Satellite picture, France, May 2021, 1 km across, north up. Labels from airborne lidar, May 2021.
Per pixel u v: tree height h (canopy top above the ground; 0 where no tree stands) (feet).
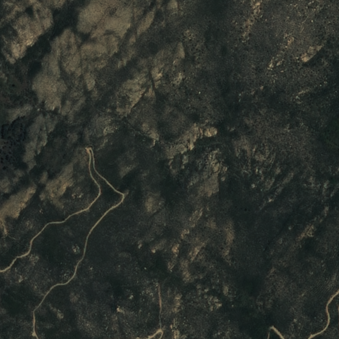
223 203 0
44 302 0
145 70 0
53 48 0
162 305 0
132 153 0
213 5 0
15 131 81
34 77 0
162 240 0
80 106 0
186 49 0
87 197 0
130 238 0
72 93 0
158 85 0
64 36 0
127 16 0
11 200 0
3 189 0
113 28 0
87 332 0
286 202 0
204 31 0
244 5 0
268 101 0
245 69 0
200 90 0
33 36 0
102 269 0
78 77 0
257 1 0
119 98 0
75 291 0
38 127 0
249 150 0
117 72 0
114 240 0
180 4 0
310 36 0
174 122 0
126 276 0
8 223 0
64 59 0
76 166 0
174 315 0
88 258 0
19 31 0
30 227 0
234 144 0
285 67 0
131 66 0
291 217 56
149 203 0
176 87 0
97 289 0
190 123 0
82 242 0
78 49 0
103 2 0
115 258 0
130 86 0
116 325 0
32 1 0
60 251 42
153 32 0
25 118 78
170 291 0
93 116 0
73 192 0
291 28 0
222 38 0
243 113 0
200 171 0
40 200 0
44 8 0
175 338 0
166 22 0
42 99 0
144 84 0
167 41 0
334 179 28
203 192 0
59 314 0
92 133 0
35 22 0
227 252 0
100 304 0
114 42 0
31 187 0
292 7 0
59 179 0
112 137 0
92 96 0
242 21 0
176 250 0
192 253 0
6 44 0
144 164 0
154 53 0
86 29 0
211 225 0
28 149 0
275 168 0
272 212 0
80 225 0
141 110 0
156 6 0
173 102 0
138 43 0
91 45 0
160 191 0
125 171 0
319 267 0
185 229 0
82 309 0
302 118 0
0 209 0
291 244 0
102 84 0
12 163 40
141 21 0
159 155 0
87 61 0
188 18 0
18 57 0
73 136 0
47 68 0
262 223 0
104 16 0
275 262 0
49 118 0
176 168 0
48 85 0
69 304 0
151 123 0
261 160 0
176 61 0
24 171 0
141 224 0
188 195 0
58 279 0
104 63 0
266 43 0
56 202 0
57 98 0
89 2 0
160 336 0
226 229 0
